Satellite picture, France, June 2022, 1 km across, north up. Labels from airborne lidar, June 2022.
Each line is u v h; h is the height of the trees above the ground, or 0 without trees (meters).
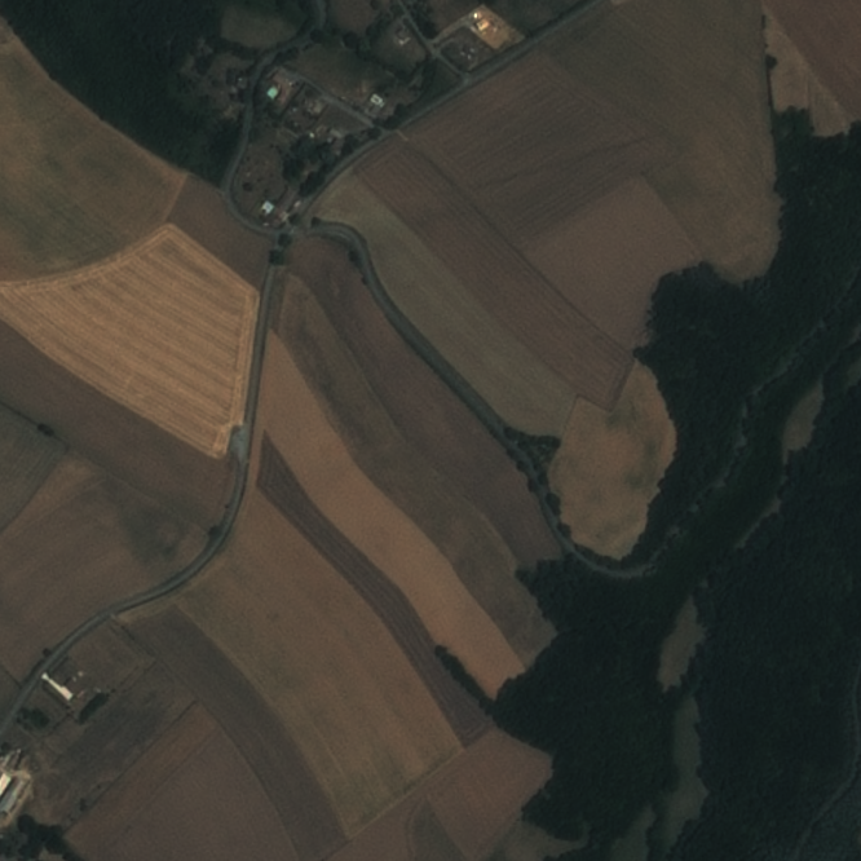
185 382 0
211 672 0
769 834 14
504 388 0
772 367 9
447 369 0
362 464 0
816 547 23
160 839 0
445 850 0
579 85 0
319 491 0
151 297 0
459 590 0
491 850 0
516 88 0
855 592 20
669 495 18
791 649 22
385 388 0
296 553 0
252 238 0
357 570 0
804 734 18
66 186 0
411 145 0
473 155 0
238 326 0
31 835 19
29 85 0
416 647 0
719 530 13
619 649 18
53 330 0
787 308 21
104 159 0
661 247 0
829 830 13
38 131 0
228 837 0
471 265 0
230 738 0
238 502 0
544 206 0
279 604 0
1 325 0
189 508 0
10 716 0
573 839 16
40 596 0
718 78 0
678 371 15
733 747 17
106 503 0
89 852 0
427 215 0
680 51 0
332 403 0
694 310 24
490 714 12
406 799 0
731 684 22
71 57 8
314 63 0
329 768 0
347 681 0
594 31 0
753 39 0
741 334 18
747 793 11
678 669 0
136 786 0
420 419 0
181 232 0
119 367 0
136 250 0
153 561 0
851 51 0
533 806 13
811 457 26
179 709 0
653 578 11
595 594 15
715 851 13
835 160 14
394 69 9
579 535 0
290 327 0
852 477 21
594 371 0
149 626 0
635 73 0
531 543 0
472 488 0
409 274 0
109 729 0
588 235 0
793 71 0
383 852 0
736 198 0
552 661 17
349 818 0
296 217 13
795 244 12
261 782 0
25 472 0
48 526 0
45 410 0
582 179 0
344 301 0
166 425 0
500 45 0
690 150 0
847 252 17
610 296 0
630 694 18
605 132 0
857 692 7
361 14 0
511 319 0
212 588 0
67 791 0
